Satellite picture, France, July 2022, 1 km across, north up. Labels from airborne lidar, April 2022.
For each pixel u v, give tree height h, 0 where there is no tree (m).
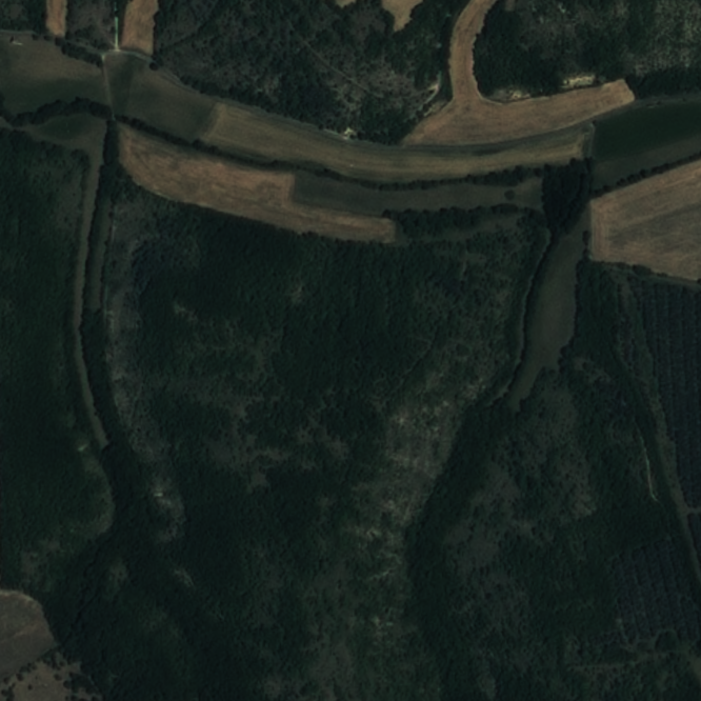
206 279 13
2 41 0
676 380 11
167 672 13
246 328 7
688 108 0
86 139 0
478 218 17
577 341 13
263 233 15
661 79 9
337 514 10
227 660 15
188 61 0
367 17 0
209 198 0
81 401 14
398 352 12
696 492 11
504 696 10
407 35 9
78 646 13
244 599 11
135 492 16
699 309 10
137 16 0
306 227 0
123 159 0
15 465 8
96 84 0
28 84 0
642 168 0
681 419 12
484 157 0
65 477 9
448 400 0
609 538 10
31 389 12
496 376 7
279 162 10
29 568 0
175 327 8
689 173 0
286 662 6
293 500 12
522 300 9
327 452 7
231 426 7
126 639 12
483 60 8
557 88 8
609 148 0
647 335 8
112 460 17
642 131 0
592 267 12
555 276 0
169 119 0
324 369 9
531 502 10
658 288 12
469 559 0
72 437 10
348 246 10
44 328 7
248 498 9
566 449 6
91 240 12
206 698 12
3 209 8
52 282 8
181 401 7
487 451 13
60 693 0
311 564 8
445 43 14
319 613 7
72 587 18
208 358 7
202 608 11
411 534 13
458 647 14
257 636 12
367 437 8
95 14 0
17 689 0
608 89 0
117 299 0
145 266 13
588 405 9
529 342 12
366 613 8
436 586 15
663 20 0
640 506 7
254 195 0
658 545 12
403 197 0
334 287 9
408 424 0
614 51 7
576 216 13
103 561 9
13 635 0
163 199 6
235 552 11
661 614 14
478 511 7
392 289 9
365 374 11
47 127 0
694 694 15
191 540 11
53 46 0
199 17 11
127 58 0
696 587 14
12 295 11
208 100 0
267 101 11
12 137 10
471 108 0
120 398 0
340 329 12
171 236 9
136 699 12
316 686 10
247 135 0
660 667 8
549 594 8
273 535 8
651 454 7
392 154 0
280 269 9
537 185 0
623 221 0
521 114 0
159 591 15
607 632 8
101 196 17
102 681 12
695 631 12
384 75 0
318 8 6
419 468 0
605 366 7
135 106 0
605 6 8
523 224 8
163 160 0
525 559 10
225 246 15
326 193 0
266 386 8
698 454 10
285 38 17
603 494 7
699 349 11
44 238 7
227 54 7
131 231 0
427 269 11
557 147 0
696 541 10
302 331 12
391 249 9
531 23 0
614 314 8
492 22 14
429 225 13
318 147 0
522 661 0
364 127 7
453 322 8
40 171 0
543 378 7
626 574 11
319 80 10
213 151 12
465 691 16
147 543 13
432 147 0
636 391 11
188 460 7
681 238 0
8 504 12
